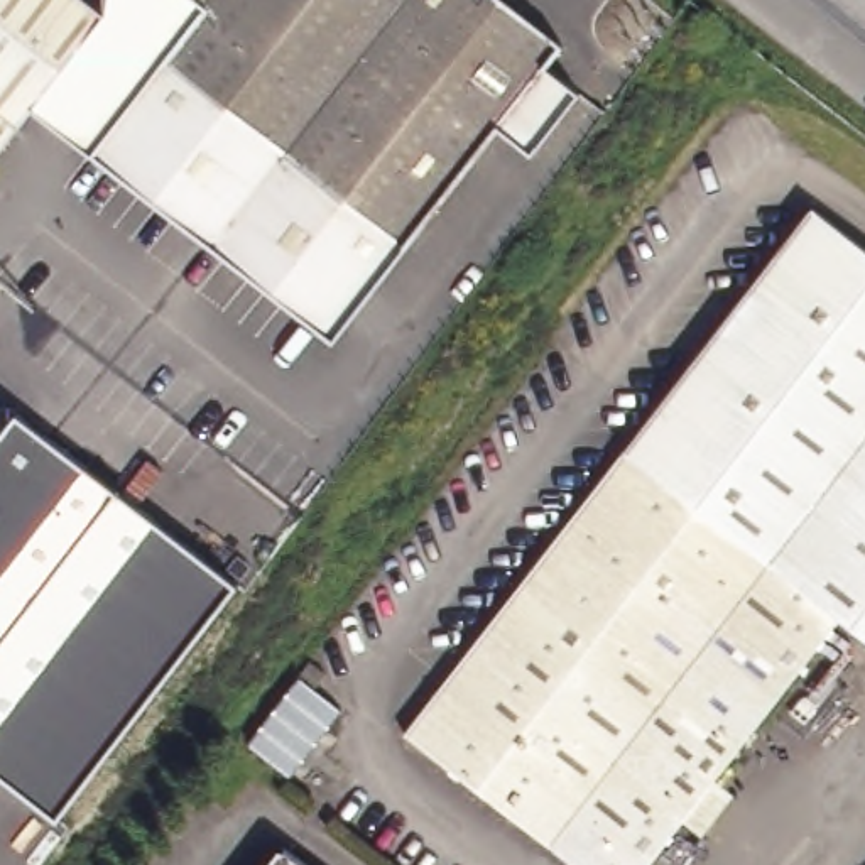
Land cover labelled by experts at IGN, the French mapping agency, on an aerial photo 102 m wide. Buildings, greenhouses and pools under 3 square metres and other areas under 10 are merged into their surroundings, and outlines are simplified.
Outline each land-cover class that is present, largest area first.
<instances>
[{"label":"building","instance_id":"1","mask_svg":"<svg viewBox=\"0 0 865 865\"><path fill-rule=\"evenodd\" d=\"M561 61V47L503 0H0V152L10 145L14 132L27 118H41L44 125L74 142L81 162H91V182L108 176L122 182L132 196H139L162 220L193 226L240 267L247 284H253L277 307H284L294 321L307 318L321 324L324 331L314 338L318 345L338 348L348 338V331L365 335L375 311L385 307V301L378 297L382 287L433 230H439V216L446 213V206L456 199V193L476 169L490 166V155L500 142H510L514 152L527 162L537 159L524 149V142L537 132V125L564 95V84L551 78L554 64ZM835 628H848L858 642H865V250L845 240L821 216L808 213L801 220L784 250L767 264V270L733 307V314L723 321L713 341L699 351V358L689 365L679 385L666 395V402L656 409V416L645 422L635 443L612 463V470L601 476V483L591 490V497L581 503V510L571 517L561 537L541 554L534 571L520 581V588L507 598L500 615L483 628L466 659L449 672V679L436 689V696L409 726V743L433 764H439L449 781L473 791L497 814H503L510 824L527 831L534 841L551 848L568 865H652L659 851L676 838V831L686 828L693 835H703L713 828V821L730 801V764L740 757L743 747L753 743L757 726L794 686V679L808 676L811 662L821 659ZM233 591V581L213 571L172 534L125 507L115 493L88 480V473L71 456H64L27 422L7 419L0 429V794L20 811H30V804H37L44 814H57L81 787V781L91 774V767L105 757V750L115 743V737L125 730V723L135 716V710L162 683L172 662L186 652L196 632L206 625V618L220 608L223 595ZM335 706L297 683L287 689V696L250 740L253 753L277 774L297 777L311 750L328 747ZM267 865H301L291 855H270Z\"/></svg>","mask_w":865,"mask_h":865},{"label":"impervious surface","instance_id":"2","mask_svg":"<svg viewBox=\"0 0 865 865\"><path fill-rule=\"evenodd\" d=\"M561 47V61L554 64L551 78L564 84V95L537 125V132L524 142V149L537 159L527 162L514 152L510 142H500L490 155V166L476 169L456 193V199L446 206V213L439 216V230H433L382 287L378 297L385 301V307L375 311L365 335L348 331V338L338 348L318 345L314 338L324 331L321 324L307 318L294 321L284 307H277L253 284H247L240 267L193 226L162 220L139 196H132L122 182L108 176L91 182V162H81L74 142L44 125L41 118H27L14 132L10 145L0 152V429L7 419L27 422L64 456H71L88 473V480L115 493L125 507L172 534L213 571L233 581V591L223 595L220 608L206 618V625L196 632L186 652L172 662L162 683L135 710V716L125 723V730L115 737V743L105 750V757L91 767V774L81 781V787L57 814H44L37 804H30V811H20L0 794V865H44L98 818L101 801L118 787V767L132 753L149 747L155 726L162 723L166 693L176 686V679H186L189 672L203 669V659L216 656L223 639L230 635L233 615L267 581L274 561L284 554V544L301 510H307L314 497L331 483L345 456L372 426L385 399L405 382L426 341L443 328L453 307L480 287V274L490 267L493 250L547 193L561 169V159L588 132L591 115L615 112V91L622 88L625 71L635 74V61L642 57V51H649L659 30L672 27L676 20L669 7L656 0H503ZM767 37L797 54L808 68H814L821 78L838 84L848 98H855L865 108V0H726ZM693 155L683 149L662 179H642L632 189L628 216H635L639 223L628 230V237L618 243L612 257L601 253L595 260L591 287L585 291L578 284L568 294L561 307L564 324L554 331L558 351H547V358L527 375L514 399L493 416V429L480 433L473 446L476 453L466 456L460 463V473L446 480L436 503L412 527L409 544L395 551V558L378 564L375 578L351 605V615L341 618L338 639H328L321 652L307 659V669L297 683L335 706L328 747L311 750L297 777L311 787L321 818L297 814L267 787H247L230 808H209L203 814H193L182 831L169 835V855H155L149 858V865H267L270 855H291L301 865H365L351 848L335 841L324 831V824L338 814L355 821L368 804H382L385 811L402 818V824L385 831L378 841L382 848H392L402 865H568L551 848L534 841L527 831L510 824L503 814H497L473 791L449 781L439 764H433L409 743V726L436 696V689L449 679V672L466 659L483 628L500 615L507 598L520 588V581L534 571L541 554L561 537L571 517L581 510V503L591 497V490L601 483V476L612 470V463L635 443L645 422L656 416V409L666 402V395L679 385L689 365L699 358V351L713 341L723 321L733 314V307L767 270V264L784 250L801 220L808 213L821 216L845 240L865 250V193L838 172H831L828 166H821L818 159L804 155L797 145H787L781 128L767 115H753V105L747 101L726 108L720 118L703 122V128L693 135ZM730 801L713 821V828L703 835H693L686 828L676 831V838L659 851L652 865H865V642H858L848 628H835L821 659L811 662L808 676L794 679V686L757 726L753 743L743 747L740 757L730 764Z\"/></svg>","mask_w":865,"mask_h":865},{"label":"herbaceous vegetation","instance_id":"3","mask_svg":"<svg viewBox=\"0 0 865 865\"><path fill-rule=\"evenodd\" d=\"M669 7L676 20L672 27L659 30L649 51H642V57L635 61V74L625 71L622 88L615 91V112L591 115L588 132L561 159V169L547 193L493 250L490 267L480 274V287L453 307L443 328L426 341L405 382L385 399L372 426L345 456L331 483L314 497L307 510H301L284 544V554L274 561L267 581L233 615L230 635L223 639L216 656L203 659V669L189 672L186 679H176V686L166 693L162 723L155 726L149 747L132 753L118 767V787L101 801L98 818L44 865H149V858L155 855H169V835L182 831L193 814H203L209 808H230L247 787H267L277 774L253 753L250 740L287 696V689L297 683L307 669V659L321 652L328 639H338L341 618L351 615V605L375 578L378 564L395 558V551L409 544L412 527L436 503L446 480L460 473V463L466 456L476 453L473 446L480 433L493 429V416L514 399L527 375L547 358V351H558L554 331L564 324L561 307L568 294L578 284L585 291L591 287L595 260L601 253L612 257L618 243L628 237V230L639 223L635 216H628L632 189L642 179H662L683 149L693 155V135L703 128V122L720 118L726 108L747 101L753 105V115H767L781 128L787 145H797L804 155L818 159L821 166H828L831 172H838L865 193V108L855 98H848L838 84L821 78L814 68H808L797 54L767 37L726 0H656Z\"/></svg>","mask_w":865,"mask_h":865},{"label":"brushwood","instance_id":"4","mask_svg":"<svg viewBox=\"0 0 865 865\"><path fill-rule=\"evenodd\" d=\"M267 787L297 814L321 818L311 787L297 777L277 774ZM402 824V818L385 811L382 804H368L355 821L338 814L324 824V831L335 841L351 848L365 865H402L392 848H382L378 841L385 831Z\"/></svg>","mask_w":865,"mask_h":865}]
</instances>
